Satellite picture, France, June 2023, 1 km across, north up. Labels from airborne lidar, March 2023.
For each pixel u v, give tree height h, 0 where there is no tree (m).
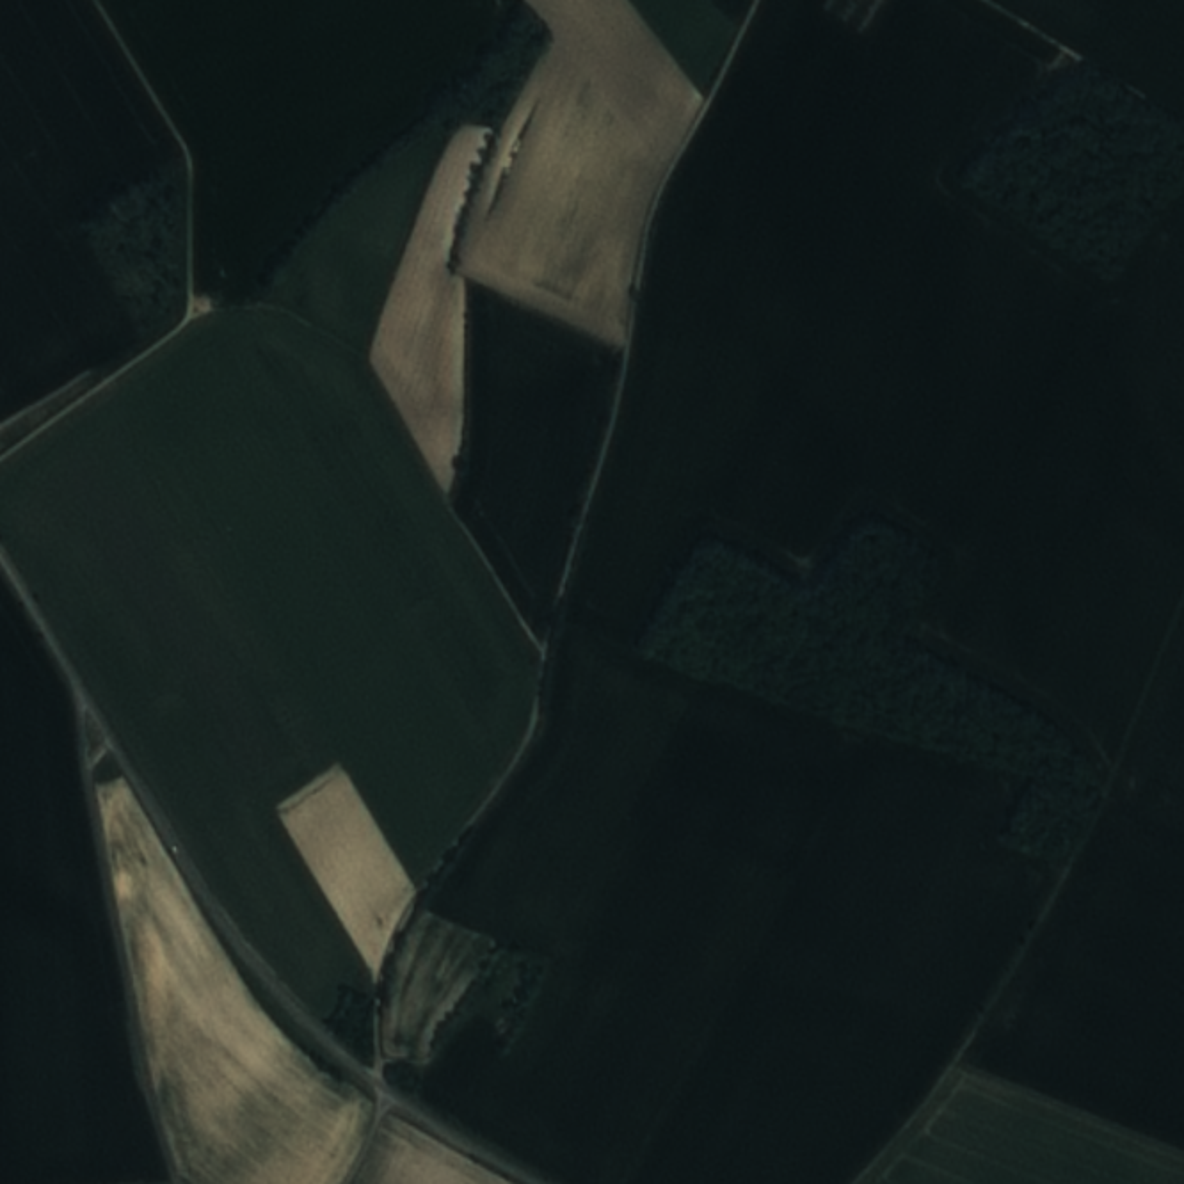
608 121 0
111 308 0
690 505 0
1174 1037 0
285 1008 0
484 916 0
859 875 0
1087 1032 0
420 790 0
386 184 0
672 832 0
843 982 0
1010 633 0
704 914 0
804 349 0
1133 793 0
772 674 21
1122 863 0
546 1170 0
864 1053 0
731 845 0
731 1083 0
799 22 0
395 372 0
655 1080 0
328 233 0
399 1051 0
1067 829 13
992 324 0
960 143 0
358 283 0
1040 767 17
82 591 0
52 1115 0
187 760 0
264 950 0
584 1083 0
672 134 0
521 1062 0
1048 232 15
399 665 0
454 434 0
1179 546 0
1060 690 0
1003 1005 0
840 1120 0
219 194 0
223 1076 0
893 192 0
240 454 0
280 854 0
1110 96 22
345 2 0
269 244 0
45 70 0
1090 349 0
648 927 0
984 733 17
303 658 0
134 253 14
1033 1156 0
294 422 0
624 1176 0
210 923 0
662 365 0
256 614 0
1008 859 0
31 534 0
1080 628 0
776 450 0
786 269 0
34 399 0
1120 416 0
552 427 0
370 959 0
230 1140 0
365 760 0
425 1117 0
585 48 0
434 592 0
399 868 0
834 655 24
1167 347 0
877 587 21
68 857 0
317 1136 0
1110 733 0
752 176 0
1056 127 17
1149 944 0
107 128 0
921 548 11
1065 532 0
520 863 0
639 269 0
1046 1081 0
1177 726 0
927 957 0
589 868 0
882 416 0
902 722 19
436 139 0
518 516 0
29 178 0
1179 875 0
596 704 0
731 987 0
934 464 0
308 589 0
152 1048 0
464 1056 0
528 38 18
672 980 0
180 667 0
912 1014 0
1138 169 21
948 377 0
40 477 0
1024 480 0
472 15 0
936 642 0
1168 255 0
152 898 0
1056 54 0
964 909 0
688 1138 0
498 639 0
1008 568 0
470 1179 0
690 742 0
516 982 0
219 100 0
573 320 0
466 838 6
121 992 0
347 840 0
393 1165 0
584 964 0
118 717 0
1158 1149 0
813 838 0
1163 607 0
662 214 0
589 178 0
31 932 0
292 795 0
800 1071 0
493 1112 0
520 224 0
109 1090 0
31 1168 0
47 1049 0
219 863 0
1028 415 0
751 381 0
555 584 0
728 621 16
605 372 0
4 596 0
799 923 0
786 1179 0
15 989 0
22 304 0
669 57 0
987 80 0
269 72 0
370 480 0
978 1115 0
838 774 0
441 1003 0
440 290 0
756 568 19
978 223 0
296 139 0
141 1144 0
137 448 0
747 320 0
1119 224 18
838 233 0
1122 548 0
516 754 0
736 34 0
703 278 0
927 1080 0
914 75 0
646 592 0
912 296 0
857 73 0
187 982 0
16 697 0
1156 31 0
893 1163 0
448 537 0
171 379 0
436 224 0
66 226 0
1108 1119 0
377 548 0
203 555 0
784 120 0
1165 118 16
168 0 0
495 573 0
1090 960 0
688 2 0
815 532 0
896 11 0
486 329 0
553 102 0
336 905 0
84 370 0
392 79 0
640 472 0
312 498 0
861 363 0
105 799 0
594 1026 0
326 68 0
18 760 0
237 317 0
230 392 0
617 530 0
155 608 0
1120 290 0
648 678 0
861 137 0
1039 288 0
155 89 0
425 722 0
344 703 0
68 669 0
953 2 0
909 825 0
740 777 0
